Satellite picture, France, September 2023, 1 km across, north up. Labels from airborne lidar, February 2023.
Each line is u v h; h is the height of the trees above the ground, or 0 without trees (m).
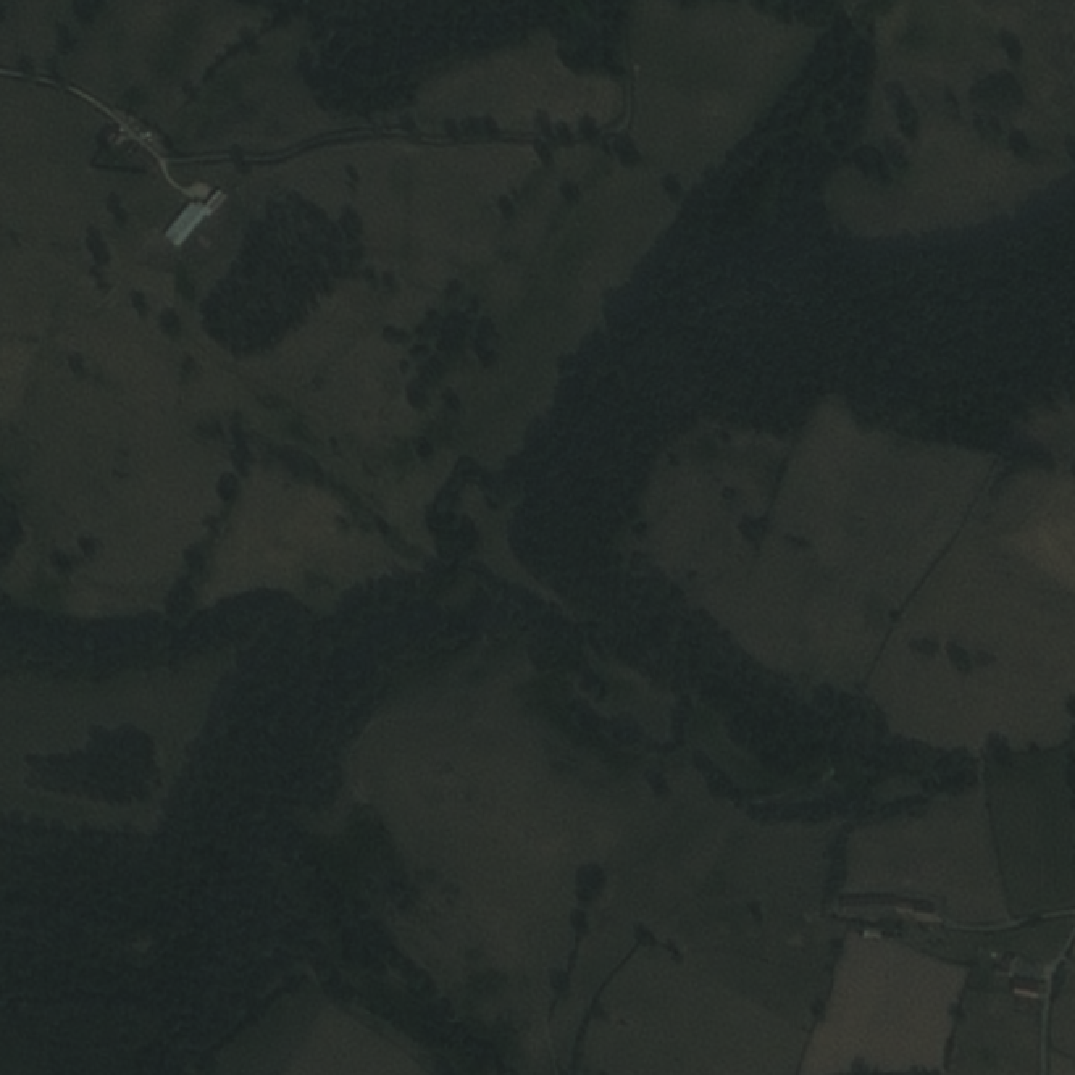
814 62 10
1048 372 17
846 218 0
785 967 0
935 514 0
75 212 0
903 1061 0
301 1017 0
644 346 21
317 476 17
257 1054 0
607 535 18
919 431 12
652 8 0
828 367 20
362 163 0
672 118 0
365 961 16
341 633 13
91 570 0
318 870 13
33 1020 15
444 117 0
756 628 0
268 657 20
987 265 19
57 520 0
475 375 0
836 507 0
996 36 0
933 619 0
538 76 0
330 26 13
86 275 0
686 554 0
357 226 14
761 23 0
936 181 0
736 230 6
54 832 11
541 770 0
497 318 0
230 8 0
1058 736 0
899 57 0
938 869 0
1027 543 0
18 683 0
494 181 0
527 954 0
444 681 0
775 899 0
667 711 0
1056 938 0
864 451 0
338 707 18
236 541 0
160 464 0
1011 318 24
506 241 0
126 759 13
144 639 22
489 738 0
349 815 0
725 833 0
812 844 0
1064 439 0
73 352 0
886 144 0
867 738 13
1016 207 0
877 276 24
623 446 20
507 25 19
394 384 0
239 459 15
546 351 0
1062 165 0
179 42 0
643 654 18
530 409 0
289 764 21
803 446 0
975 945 0
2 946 7
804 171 8
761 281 25
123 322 0
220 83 0
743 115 0
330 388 0
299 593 0
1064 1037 0
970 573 0
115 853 9
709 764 14
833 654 0
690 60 0
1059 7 0
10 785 0
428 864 0
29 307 0
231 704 24
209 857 19
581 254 0
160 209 0
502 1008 0
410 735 0
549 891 0
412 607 0
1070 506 0
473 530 16
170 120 0
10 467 0
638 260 0
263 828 12
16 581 0
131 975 12
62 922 6
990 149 0
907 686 0
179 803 20
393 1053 0
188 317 0
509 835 0
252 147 0
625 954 0
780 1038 0
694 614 6
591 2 19
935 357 18
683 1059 0
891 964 0
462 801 0
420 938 0
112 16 0
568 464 22
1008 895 0
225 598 0
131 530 0
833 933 0
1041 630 0
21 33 0
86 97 0
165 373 0
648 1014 0
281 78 0
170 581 0
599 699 12
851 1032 0
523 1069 0
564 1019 0
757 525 8
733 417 17
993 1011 0
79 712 0
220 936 20
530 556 16
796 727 19
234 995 22
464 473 12
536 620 18
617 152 13
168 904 6
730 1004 0
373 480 0
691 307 24
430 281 0
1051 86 0
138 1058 10
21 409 0
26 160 0
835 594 0
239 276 13
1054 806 0
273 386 0
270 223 11
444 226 0
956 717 0
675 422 23
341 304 0
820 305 22
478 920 0
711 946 0
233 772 20
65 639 18
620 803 0
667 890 0
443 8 16
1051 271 19
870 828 0
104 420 0
